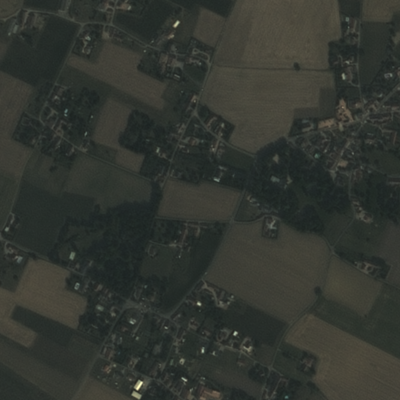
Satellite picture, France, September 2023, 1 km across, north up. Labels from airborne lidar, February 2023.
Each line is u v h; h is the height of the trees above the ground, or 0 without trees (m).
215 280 0
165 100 0
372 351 0
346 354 0
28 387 0
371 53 0
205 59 0
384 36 0
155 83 0
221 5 0
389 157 0
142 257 14
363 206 10
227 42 0
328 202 19
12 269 0
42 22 0
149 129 12
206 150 0
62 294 0
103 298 0
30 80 0
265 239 0
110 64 0
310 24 0
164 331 0
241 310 0
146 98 0
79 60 0
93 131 0
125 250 22
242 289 0
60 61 0
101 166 0
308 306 0
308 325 0
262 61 0
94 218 15
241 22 0
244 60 0
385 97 0
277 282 0
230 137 0
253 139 0
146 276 0
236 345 7
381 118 0
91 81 0
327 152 7
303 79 0
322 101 0
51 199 0
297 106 0
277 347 0
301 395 0
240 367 0
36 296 0
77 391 0
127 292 22
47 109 9
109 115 0
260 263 0
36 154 0
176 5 0
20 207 0
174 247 0
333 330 0
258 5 0
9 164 0
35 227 0
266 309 0
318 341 0
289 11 0
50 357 0
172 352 0
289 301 0
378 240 0
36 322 0
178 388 0
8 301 0
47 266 0
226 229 0
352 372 0
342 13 0
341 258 8
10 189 0
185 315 9
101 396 0
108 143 0
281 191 22
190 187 0
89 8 0
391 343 0
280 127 0
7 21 0
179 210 0
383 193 14
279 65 0
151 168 0
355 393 0
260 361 0
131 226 23
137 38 0
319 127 0
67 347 0
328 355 0
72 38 0
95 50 0
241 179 20
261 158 25
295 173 25
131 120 8
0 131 0
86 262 0
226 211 0
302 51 0
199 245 0
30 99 0
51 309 0
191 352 0
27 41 10
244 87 0
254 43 0
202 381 0
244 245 0
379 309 0
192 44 0
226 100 0
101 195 0
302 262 0
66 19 0
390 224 0
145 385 0
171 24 0
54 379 0
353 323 0
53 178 0
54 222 0
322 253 0
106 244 20
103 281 20
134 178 0
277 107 0
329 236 0
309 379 0
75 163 0
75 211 0
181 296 0
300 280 0
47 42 0
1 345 0
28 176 0
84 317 8
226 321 0
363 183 0
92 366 0
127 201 0
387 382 0
